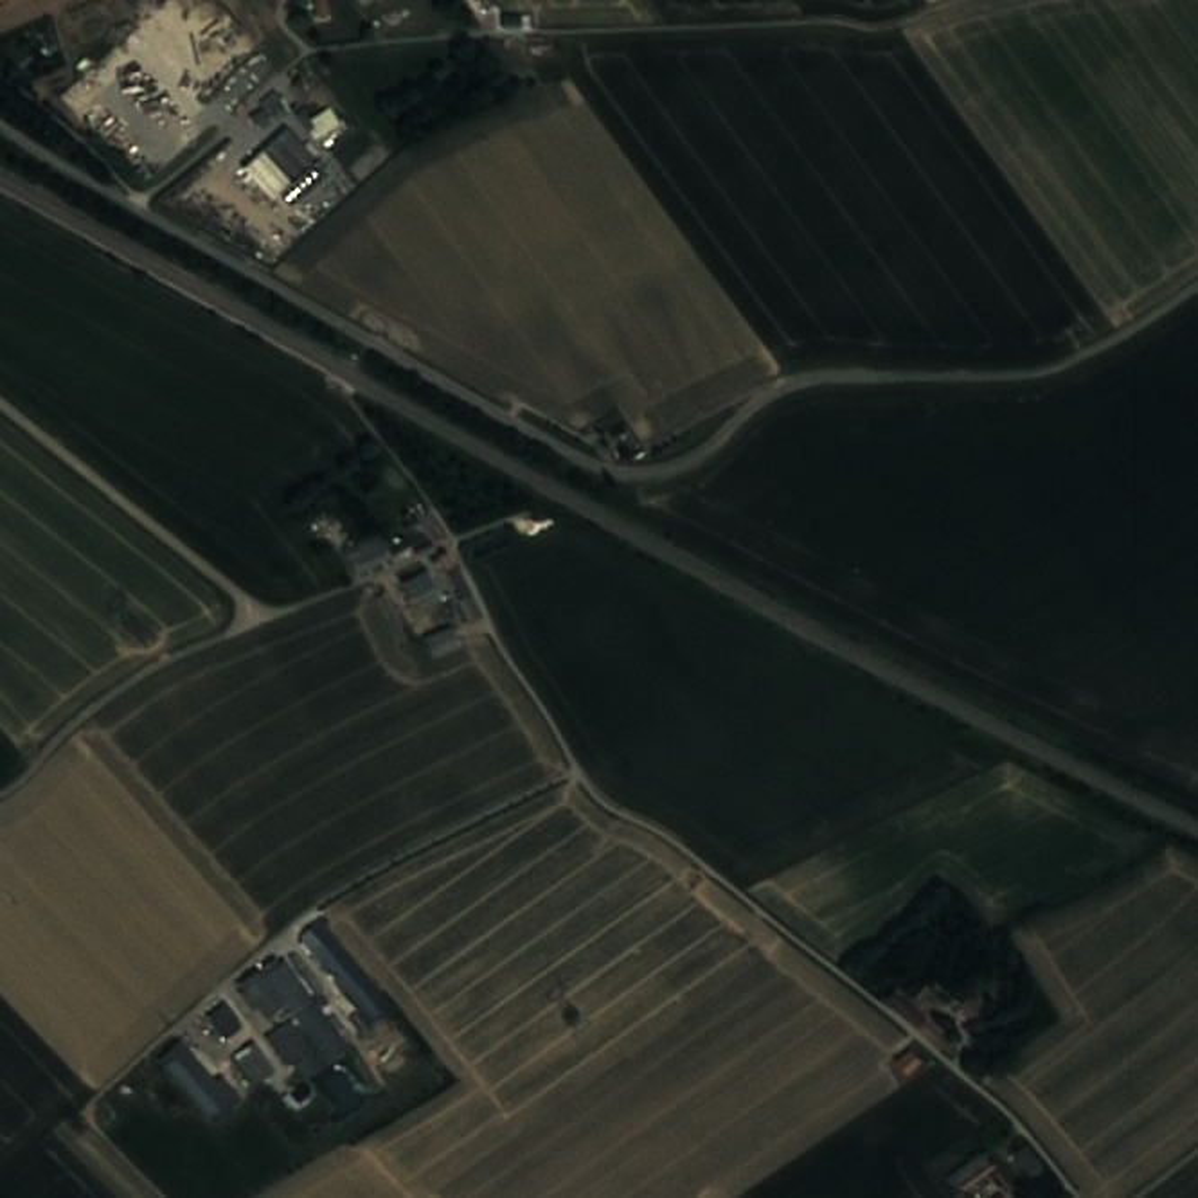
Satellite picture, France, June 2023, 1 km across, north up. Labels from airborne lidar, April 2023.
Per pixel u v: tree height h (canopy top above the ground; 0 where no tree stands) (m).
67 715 0
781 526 0
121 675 0
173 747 0
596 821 0
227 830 0
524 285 0
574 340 0
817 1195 0
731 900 0
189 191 0
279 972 0
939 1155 0
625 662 0
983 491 0
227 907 0
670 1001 0
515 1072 0
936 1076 0
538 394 0
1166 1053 0
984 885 0
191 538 0
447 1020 0
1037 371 0
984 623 0
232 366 0
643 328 0
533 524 0
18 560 0
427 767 0
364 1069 0
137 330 0
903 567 0
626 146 0
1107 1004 0
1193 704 0
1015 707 0
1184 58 0
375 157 0
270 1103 0
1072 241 0
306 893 0
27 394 0
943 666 0
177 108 0
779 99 0
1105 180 0
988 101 0
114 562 0
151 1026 0
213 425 0
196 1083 0
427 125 10
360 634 0
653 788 0
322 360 0
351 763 0
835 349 0
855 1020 0
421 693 0
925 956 18
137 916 0
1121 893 0
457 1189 0
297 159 0
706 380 0
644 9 0
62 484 0
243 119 0
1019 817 0
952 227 0
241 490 0
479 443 0
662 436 0
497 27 0
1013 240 0
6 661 0
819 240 0
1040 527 0
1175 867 0
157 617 0
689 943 0
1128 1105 0
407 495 0
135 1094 0
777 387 0
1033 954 0
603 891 0
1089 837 0
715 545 0
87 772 0
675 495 0
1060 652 0
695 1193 0
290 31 0
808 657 0
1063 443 0
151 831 0
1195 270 0
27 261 0
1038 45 0
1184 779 0
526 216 0
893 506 0
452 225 0
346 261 0
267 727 0
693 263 0
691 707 0
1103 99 0
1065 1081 0
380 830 0
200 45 0
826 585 0
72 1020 0
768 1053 0
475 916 0
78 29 0
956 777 0
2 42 8
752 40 0
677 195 0
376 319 0
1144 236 0
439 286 0
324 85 0
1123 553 0
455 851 0
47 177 9
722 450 0
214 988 0
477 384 0
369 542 0
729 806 0
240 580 0
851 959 14
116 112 0
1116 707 0
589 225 0
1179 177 0
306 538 0
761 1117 0
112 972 0
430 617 0
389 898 0
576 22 0
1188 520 0
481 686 0
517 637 0
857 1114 0
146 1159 0
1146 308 0
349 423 0
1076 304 0
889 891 0
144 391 0
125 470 0
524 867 0
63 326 0
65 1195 0
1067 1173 0
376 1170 0
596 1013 0
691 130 0
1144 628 0
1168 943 0
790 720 0
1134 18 0
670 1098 0
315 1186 0
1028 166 0
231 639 0
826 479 0
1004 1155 0
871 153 0
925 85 0
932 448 0
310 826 0
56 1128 0
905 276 0
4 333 0
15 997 0
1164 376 0
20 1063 0
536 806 0
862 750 0
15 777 0
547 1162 0
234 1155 0
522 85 9
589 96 0
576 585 0
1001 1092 0
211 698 0
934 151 0
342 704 0
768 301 0
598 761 0
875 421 0
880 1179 0
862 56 0
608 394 0
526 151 0
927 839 0
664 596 0
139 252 0
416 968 0
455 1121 0
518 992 0
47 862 0
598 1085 0
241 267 0
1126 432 0
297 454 0
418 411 0
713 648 0
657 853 0
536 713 0
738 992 0
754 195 0
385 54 0
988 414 0
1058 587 0
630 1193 0
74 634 0
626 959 0
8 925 0
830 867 0
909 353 0
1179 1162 0
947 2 0
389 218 0
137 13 0
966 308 0
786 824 0
